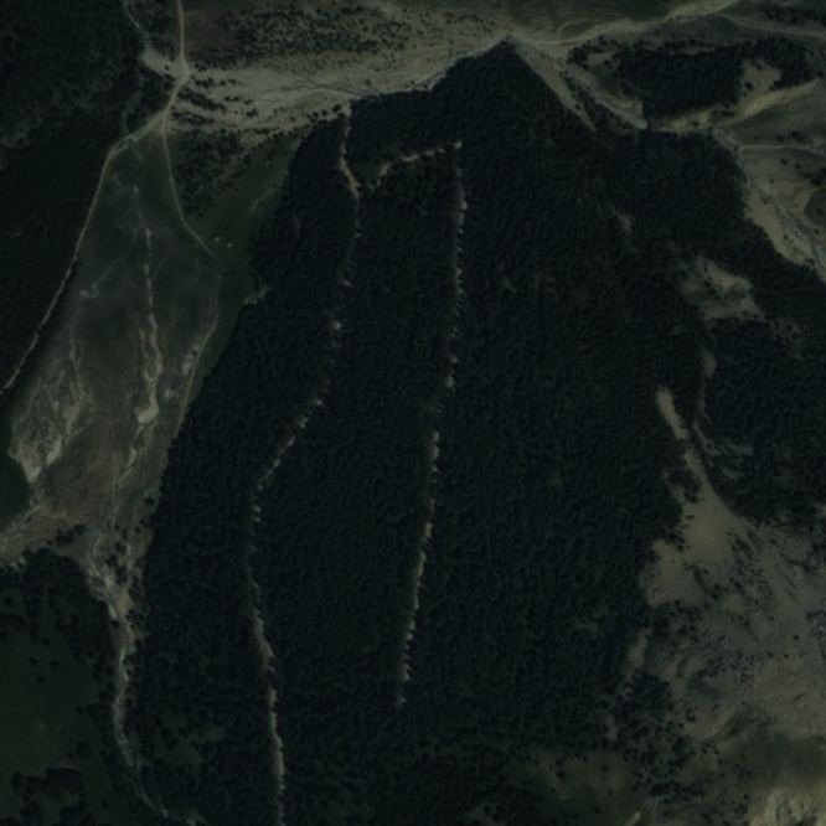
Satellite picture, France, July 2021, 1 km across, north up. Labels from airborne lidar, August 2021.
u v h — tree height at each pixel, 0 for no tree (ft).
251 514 71
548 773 0
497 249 49
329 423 63
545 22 0
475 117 45
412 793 50
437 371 45
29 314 48
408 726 72
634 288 38
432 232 65
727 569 0
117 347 0
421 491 60
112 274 0
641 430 31
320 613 59
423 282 50
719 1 0
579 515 54
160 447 0
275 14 20
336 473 69
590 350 30
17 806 0
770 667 0
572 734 46
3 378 30
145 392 0
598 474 34
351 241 62
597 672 54
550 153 26
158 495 0
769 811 0
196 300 0
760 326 44
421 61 0
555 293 29
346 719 71
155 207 0
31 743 0
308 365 58
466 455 68
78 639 71
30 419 0
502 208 49
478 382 47
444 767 38
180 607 74
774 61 27
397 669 58
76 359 0
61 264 44
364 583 50
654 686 28
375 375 54
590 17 0
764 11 0
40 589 56
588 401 44
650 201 31
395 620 76
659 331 30
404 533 74
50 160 46
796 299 21
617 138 21
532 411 47
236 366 50
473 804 55
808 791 0
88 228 0
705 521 0
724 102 23
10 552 0
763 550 0
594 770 0
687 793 21
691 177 28
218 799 87
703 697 0
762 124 0
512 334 75
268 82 0
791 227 0
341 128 43
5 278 55
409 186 29
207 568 96
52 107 38
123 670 0
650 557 31
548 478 63
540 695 34
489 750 41
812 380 24
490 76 37
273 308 64
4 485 0
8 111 70
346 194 50
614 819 0
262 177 0
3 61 0
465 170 62
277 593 93
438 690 36
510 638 67
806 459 31
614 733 0
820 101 0
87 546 0
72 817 66
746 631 0
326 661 75
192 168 21
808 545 0
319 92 0
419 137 52
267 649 0
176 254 0
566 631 63
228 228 0
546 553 35
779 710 0
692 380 34
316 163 47
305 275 51
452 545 38
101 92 44
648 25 0
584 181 24
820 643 0
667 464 24
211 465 76
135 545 0
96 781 0
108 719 53
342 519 77
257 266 30
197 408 55
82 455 0
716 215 22
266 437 56
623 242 34
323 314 47
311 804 81
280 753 0
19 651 0
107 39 64
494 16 0
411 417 61
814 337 22
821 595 0
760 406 33
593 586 33
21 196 55
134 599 37
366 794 39
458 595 53
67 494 0
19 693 0
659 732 24
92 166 51
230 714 66
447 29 0
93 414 0
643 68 26
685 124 0
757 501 27
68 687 0
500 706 49
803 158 0
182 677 69
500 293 65
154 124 0
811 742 0
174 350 0
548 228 30
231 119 0
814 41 0
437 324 67
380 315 58
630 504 27
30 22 74
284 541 77
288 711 68
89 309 0
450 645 56
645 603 34
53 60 66
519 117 43
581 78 0
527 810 42
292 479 66
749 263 24
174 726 0
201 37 0
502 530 52
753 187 0
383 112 53
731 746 0
